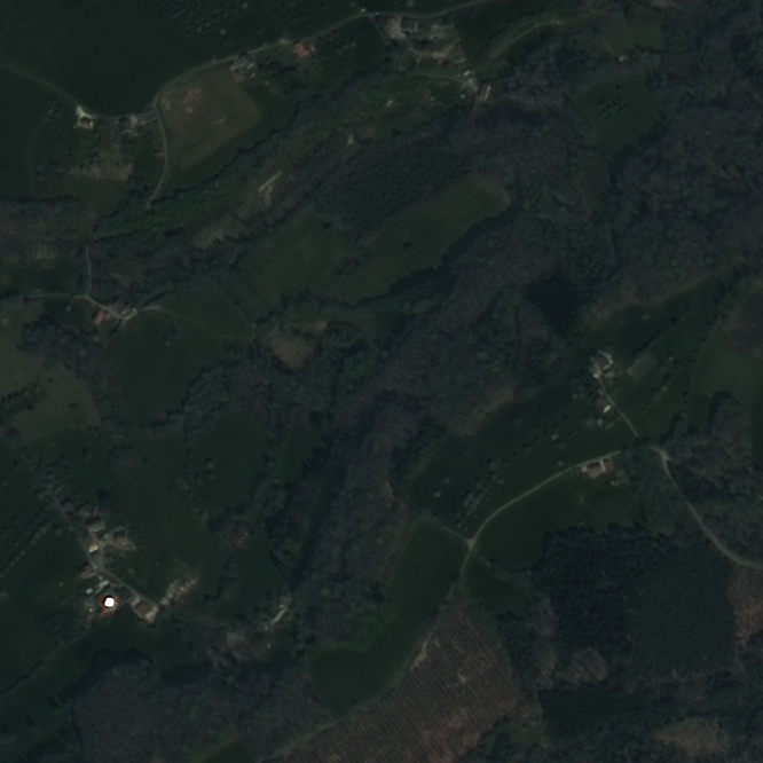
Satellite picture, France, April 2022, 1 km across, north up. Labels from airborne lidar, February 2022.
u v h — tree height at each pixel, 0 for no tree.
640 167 29
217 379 8
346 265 0
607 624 25
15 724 0
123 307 0
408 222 0
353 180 9
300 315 19
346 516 36
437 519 7
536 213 29
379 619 28
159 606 0
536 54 25
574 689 18
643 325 0
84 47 0
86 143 0
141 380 0
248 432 0
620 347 0
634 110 0
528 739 0
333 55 0
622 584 21
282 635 0
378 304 8
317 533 0
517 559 0
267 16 0
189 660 0
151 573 0
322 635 32
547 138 32
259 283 0
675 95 29
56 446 0
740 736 16
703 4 25
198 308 0
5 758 0
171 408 0
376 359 28
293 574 0
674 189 31
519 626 29
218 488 0
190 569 0
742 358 0
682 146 34
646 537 31
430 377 34
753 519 26
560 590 25
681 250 37
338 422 25
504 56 0
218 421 16
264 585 0
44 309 0
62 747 0
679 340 0
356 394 18
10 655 0
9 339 0
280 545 27
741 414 21
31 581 0
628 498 0
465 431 29
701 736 0
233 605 0
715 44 33
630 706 21
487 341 10
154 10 0
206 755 29
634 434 0
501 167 33
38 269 0
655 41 0
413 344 29
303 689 36
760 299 0
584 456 0
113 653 0
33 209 23
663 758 24
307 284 0
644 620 14
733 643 13
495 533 0
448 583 0
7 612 0
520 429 13
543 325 29
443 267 0
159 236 17
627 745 25
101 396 17
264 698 31
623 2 17
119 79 0
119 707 39
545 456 0
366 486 35
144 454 0
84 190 0
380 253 0
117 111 0
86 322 0
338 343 22
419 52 17
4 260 0
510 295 33
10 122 0
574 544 27
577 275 20
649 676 14
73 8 0
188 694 35
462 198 0
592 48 0
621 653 21
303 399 32
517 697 10
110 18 0
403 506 0
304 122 25
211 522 0
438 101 0
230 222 0
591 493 0
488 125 0
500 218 0
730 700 15
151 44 0
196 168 0
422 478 0
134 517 0
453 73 14
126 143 11
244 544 0
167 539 0
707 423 0
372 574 33
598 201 0
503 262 35
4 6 0
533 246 26
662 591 16
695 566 15
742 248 31
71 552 0
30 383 0
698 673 11
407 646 0
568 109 18
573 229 23
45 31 0
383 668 0
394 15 0
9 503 0
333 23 0
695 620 13
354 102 30
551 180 34
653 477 26
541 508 0
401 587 0
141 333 0
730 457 28
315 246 0
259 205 0
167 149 0
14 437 18
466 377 35
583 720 20
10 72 0
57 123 0
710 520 14
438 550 0
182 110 0
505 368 24
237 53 0
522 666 27
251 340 0
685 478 30
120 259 15
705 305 0
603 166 0
